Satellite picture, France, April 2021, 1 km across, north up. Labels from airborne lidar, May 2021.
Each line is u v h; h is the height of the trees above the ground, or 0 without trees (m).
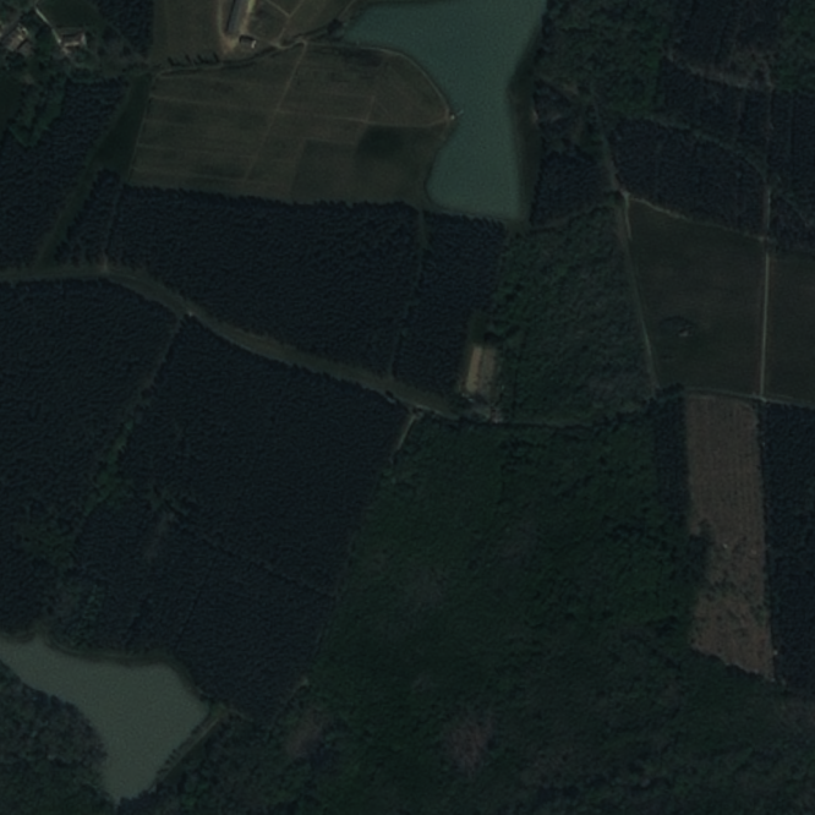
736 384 0
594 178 17
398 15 0
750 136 18
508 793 14
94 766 16
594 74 12
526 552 9
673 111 16
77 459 18
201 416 18
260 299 17
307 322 18
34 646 0
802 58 17
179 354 19
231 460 16
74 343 20
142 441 19
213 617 18
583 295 7
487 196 0
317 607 16
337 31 15
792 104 12
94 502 17
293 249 18
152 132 0
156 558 20
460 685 11
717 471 0
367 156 0
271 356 0
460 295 16
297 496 17
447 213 0
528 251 9
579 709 8
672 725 15
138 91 0
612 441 9
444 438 14
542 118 13
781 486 18
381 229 16
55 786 21
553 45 20
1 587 18
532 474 10
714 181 17
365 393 17
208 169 0
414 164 0
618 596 13
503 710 8
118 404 18
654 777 7
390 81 0
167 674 0
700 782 20
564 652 11
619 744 11
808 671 17
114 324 18
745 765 11
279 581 16
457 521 14
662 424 17
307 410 15
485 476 15
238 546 18
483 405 22
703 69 14
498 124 0
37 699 15
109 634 19
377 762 12
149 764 0
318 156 0
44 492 20
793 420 18
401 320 16
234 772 20
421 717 14
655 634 12
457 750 9
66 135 16
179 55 0
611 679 13
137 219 17
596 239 12
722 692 17
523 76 0
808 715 15
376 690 19
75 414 19
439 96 0
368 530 12
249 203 12
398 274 18
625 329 7
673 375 0
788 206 19
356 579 14
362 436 15
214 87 0
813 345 0
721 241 0
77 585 15
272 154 0
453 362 19
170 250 15
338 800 17
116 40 22
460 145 0
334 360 16
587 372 7
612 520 12
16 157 15
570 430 8
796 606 18
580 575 8
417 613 16
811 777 11
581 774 8
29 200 16
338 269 19
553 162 16
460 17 0
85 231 17
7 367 19
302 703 12
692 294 0
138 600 18
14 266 16
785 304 0
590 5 14
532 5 0
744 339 0
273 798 21
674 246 0
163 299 0
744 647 0
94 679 0
